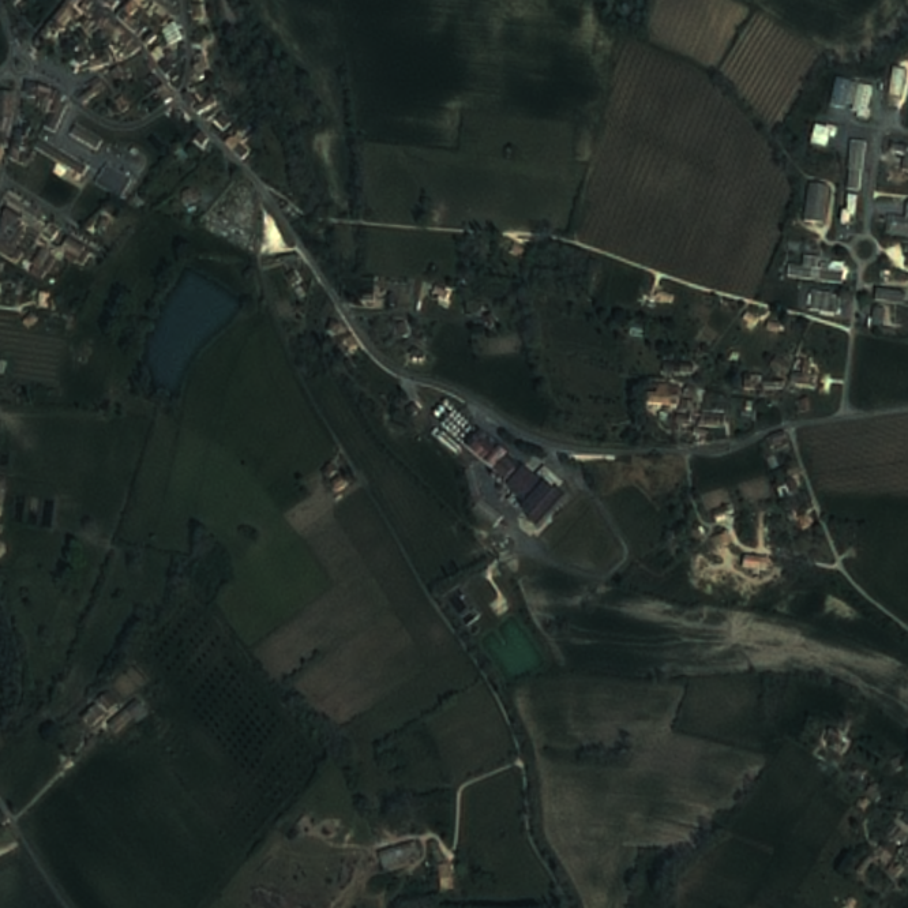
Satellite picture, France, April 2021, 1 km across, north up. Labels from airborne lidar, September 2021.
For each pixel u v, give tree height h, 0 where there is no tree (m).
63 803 0
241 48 13
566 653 0
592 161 0
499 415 0
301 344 12
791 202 6
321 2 0
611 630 0
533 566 0
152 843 0
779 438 0
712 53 0
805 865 0
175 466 0
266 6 0
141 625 14
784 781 0
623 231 0
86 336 0
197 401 0
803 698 0
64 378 0
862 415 0
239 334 0
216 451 0
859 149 0
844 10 0
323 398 0
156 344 0
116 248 10
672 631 0
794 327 7
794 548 9
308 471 0
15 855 0
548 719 0
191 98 0
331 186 0
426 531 0
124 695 0
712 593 0
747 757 0
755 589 0
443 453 11
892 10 0
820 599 0
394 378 0
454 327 0
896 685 0
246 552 0
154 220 0
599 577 0
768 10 0
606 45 0
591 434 10
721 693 0
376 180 0
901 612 0
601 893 0
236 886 0
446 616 9
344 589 0
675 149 0
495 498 0
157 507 0
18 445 0
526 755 12
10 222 0
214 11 17
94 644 0
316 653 6
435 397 0
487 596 0
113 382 0
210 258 0
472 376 0
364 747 0
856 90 0
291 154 13
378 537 0
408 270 0
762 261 0
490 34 0
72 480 0
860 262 0
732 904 0
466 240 12
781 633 0
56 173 0
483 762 0
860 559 0
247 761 6
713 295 6
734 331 0
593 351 0
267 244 0
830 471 0
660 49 0
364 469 0
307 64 0
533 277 11
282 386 0
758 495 0
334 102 0
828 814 0
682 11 0
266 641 0
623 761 13
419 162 0
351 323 0
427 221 19
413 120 0
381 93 0
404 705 0
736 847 0
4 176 0
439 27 0
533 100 0
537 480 0
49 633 11
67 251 0
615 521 0
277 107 17
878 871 7
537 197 0
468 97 0
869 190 0
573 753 0
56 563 0
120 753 0
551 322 0
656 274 0
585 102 0
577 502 0
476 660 11
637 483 0
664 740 0
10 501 0
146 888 0
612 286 0
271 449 0
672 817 0
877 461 0
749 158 0
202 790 0
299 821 0
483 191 0
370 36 0
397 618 0
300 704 19
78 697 0
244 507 0
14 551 0
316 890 0
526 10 0
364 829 0
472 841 0
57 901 0
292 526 0
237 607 0
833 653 0
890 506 0
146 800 0
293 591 0
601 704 0
